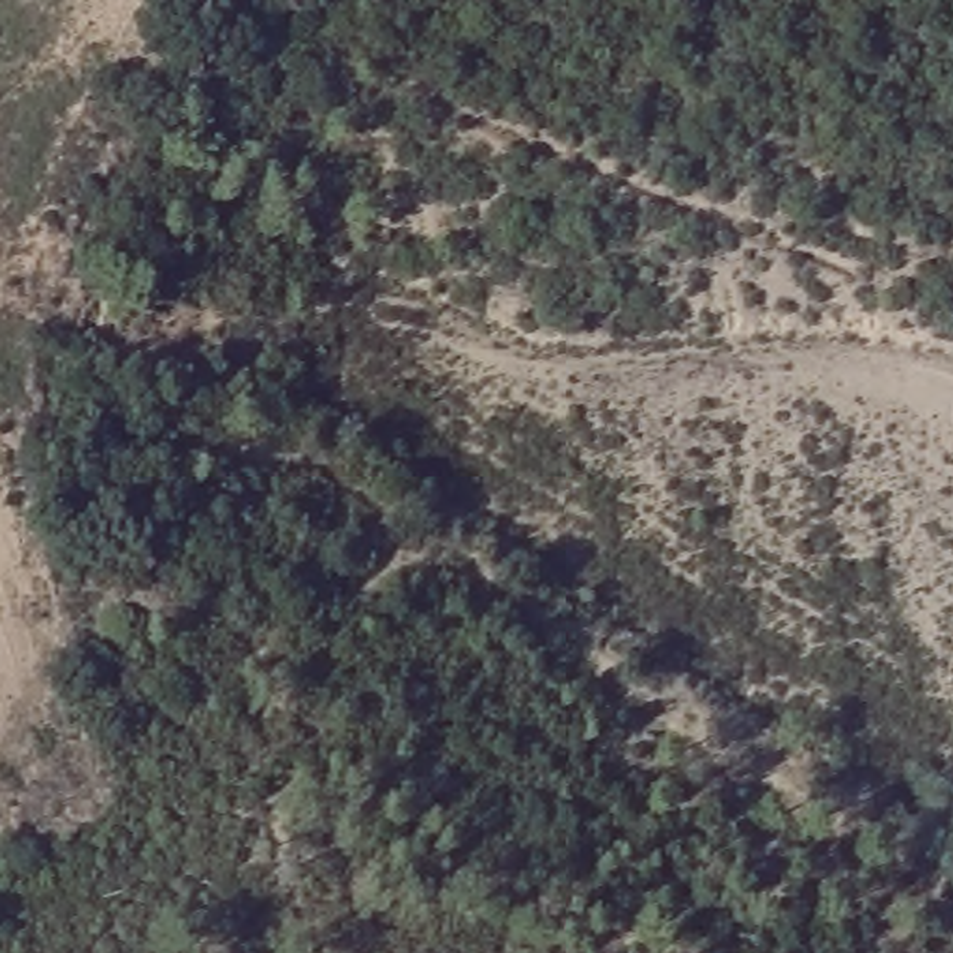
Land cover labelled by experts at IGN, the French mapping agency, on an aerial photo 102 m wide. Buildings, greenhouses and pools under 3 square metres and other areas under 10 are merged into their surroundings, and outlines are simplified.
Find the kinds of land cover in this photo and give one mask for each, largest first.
<instances>
[{"label":"brushwood","instance_id":"1","mask_svg":"<svg viewBox=\"0 0 953 953\"><path fill-rule=\"evenodd\" d=\"M242 15L253 22L261 37L257 63L268 74V89L264 97H249V89L231 86L223 74L201 78L197 145L205 156H216L212 175L220 182L212 197H235L246 164L257 160L261 149H268L272 138L283 130H309L313 141H320L324 149L339 145L342 153H350L354 171L342 216L354 246L335 257V268L346 283L380 275V298L369 302V324L395 331L406 350H417L432 335L436 316L458 313L462 302L488 305L491 290L499 287L525 294L517 320L532 331H607L618 339H633L640 331L685 328L689 305L666 298L670 261L730 253L741 238H756L763 223H733L718 212H700L670 197L640 194L633 186V171H648L659 182L685 186L689 194L704 190L726 201L741 186H748L756 194V212L789 216L785 231L793 238L819 242L856 261H879L882 268L905 264V246L897 242V235L934 242L938 257L923 261L912 279L890 287V305L916 309L923 328H931L938 339H953V0H227L220 22L227 30L238 26ZM220 328L216 309L175 305L171 313H160L145 305L130 309L115 324V331L130 342L164 346L168 339H179L186 331ZM625 447L618 432H596L588 424V406H573L570 417L551 421L525 406H499L484 432L465 428L462 450L473 454L469 465L484 484L491 514L529 525L540 540L570 536L588 540L596 547L592 562L581 570V588H562V596L555 599V614H581V625L592 633L596 670H611L618 666V659L640 663V681L625 689L633 700H663L666 715L629 733L622 759L629 767L655 771L648 800L651 812H666L670 793L681 797V812L696 808V830L689 841L670 845V860L678 875L692 886V897L700 905H726L733 919L745 923L741 953H953V722L946 715V700L927 696L934 655L905 622V607L893 599V584L901 581V573L890 570V547H879L871 558H852L838 525H819L800 540L804 555L826 551L830 558L823 581L808 570L789 566V577L782 581L785 592L823 607L815 651H804L800 640L767 633L759 625V592H745L752 555L737 551L730 536L733 506L718 503V491L707 488V480H666L678 499H696L704 506V529L678 532L681 540L700 544L704 551L689 555L685 562L689 570H704L700 584H689L659 562L666 544L659 536L625 540V525L637 517V506L622 503V495H637L640 480L607 477L581 462L584 450ZM287 640L283 629H257L253 651L242 659V678L249 692L242 700H182L175 715H164L156 707L149 730L134 741L119 733V741L112 745V763H104V774L115 778V789L108 808L93 823H82L71 834H45L34 823H19L11 834L0 838V953H596L588 938L573 934V923H536L529 905L514 908L506 897H495L488 890L480 864H465L443 886V905L424 901V886L413 871V860L424 852L428 834H436L439 849H454V826L443 823L439 808H432L421 819L417 834L402 838L406 812L398 793H376V763H350L346 756L350 704L335 700L328 689L298 696L290 692L287 670H257L264 655L279 651V644ZM622 938L625 949L648 946V953H700L696 938L678 942L670 919L644 905L633 931H625Z\"/></svg>","mask_w":953,"mask_h":953},{"label":"deciduous trees","instance_id":"2","mask_svg":"<svg viewBox=\"0 0 953 953\"><path fill-rule=\"evenodd\" d=\"M227 0H141L138 30L145 41L138 45V56L97 67L93 78V89H115V101L130 112L138 127L134 149L127 156H115L112 171H97L93 186L112 205L130 201L134 212L127 227L86 223V235H78L67 249V261H74V275L82 279V287H93L101 313L97 320L52 316L45 324H34L7 305L0 309V465L7 477V506L19 521H26L30 532H41L52 581H71V588L63 592L71 640L56 651L52 663H41V670L56 689L52 700L71 715L74 726L89 730L104 763H112V745L119 741V733L134 741L149 730L156 707L164 715H175L182 700H242L249 692L242 678V659L253 651L257 629H283L287 640L279 644V651L264 655L257 670H287L290 692L298 696L328 689L335 700L350 704L346 756L350 763H376V793H398L406 812L402 838L417 834L421 819L432 808H439L443 823L454 826V849H439L436 834H428L424 852L413 860V871L424 886V901L443 905V886L465 864H480L488 890L495 897H506L514 908L529 905L536 923H573V934L588 938L596 953H648V946L625 949L622 938L625 931H633L644 905L670 919L678 942L696 938L700 953H741L745 923L733 919L726 905H700L692 897V886L678 875L670 860V845L689 841L696 830V808L681 812V797L670 793L666 812H651L648 800L655 771L629 767L622 759L629 733L666 715L663 700H633L625 689L640 681V663L618 659V666L611 670H596L592 633L581 625V614H555V599L562 596V588H581V570L592 562L596 547L588 540L570 536L540 540L529 525L491 514L484 484L469 465L473 454L462 450L465 428L469 398L462 383L454 376H428L417 350H406L395 331L369 324V302L380 298V275L346 283L335 268V257L354 246L342 216L354 171L350 153H342L339 145L324 149L320 141H313L309 130H283L272 138L268 149H261L257 160L246 164L235 197H212L220 182L212 175L216 156H205L197 145L201 78L223 74L231 86L249 89V97H264L268 89V74L257 63L261 37L253 22L242 15L238 26L227 30L220 22ZM145 305L160 313H171L175 305L216 309L220 328L186 331L179 339H168L164 346L130 342L115 331V324L130 309Z\"/></svg>","mask_w":953,"mask_h":953},{"label":"agricultural land","instance_id":"3","mask_svg":"<svg viewBox=\"0 0 953 953\"><path fill-rule=\"evenodd\" d=\"M633 186L640 194L670 197L700 212H718L733 223H763L756 238H741L730 253L670 261L666 298L689 305L685 328L640 331L633 339H618L607 331H532L517 320L525 294L499 287L491 290L488 305L462 302L458 313L436 316L432 335L417 350L428 376H454L462 383L469 398L465 428L484 432L499 406H525L551 421L570 417L573 406H588V424L596 432H618L625 447L584 450L581 462L607 477L640 480L637 495H622V503L637 506V517L625 525V540L659 536L666 544L659 562L689 584H700L704 570H689L685 562L689 555L704 551L700 544L681 540L678 532L704 529V506L696 499H678L666 480H707V488L718 491V503L733 506L730 536L737 551L752 555L745 592H759V625L767 633L800 640L804 651H815L823 607L785 592L782 581L789 577V566L808 570L823 581L830 558L826 551L804 555L800 540L819 525H838L852 558H871L879 547H890V570L901 573V581L893 584V599L905 607V622L934 655L927 696L946 700V715L953 722V339H938L931 328H923L916 309L890 305V287L912 279L923 261L938 257L934 242L897 235V242L905 246V264L882 268L879 261H856L819 242L793 238L785 231L789 216L756 212V194L748 186H741L726 201L704 190L689 194L685 186L659 182L648 171H633Z\"/></svg>","mask_w":953,"mask_h":953},{"label":"vineyard","instance_id":"4","mask_svg":"<svg viewBox=\"0 0 953 953\"><path fill-rule=\"evenodd\" d=\"M141 0H0V309L7 305L34 324H45L52 316L97 320L101 313L93 287H82V279L74 275V261H67V249L78 235H86V223L127 227L134 212L130 201L112 205L93 186L97 171H112L115 156H127L134 149L138 127L130 112L115 101V89H93V78L97 67L138 56V45L145 41L138 30ZM71 588V581H52L41 532H30L26 521H19L7 506V477L0 465V737L11 730L7 711L22 696V681L41 670V663H52L56 651L71 640L63 592Z\"/></svg>","mask_w":953,"mask_h":953},{"label":"bare soil","instance_id":"5","mask_svg":"<svg viewBox=\"0 0 953 953\"><path fill-rule=\"evenodd\" d=\"M56 689L41 670L22 681V696L7 711L11 730L0 737V838L11 834L19 823H34L45 834H71L82 823H93L108 808L115 789V778L104 774V763L89 730L74 726L71 715L52 700Z\"/></svg>","mask_w":953,"mask_h":953}]
</instances>
